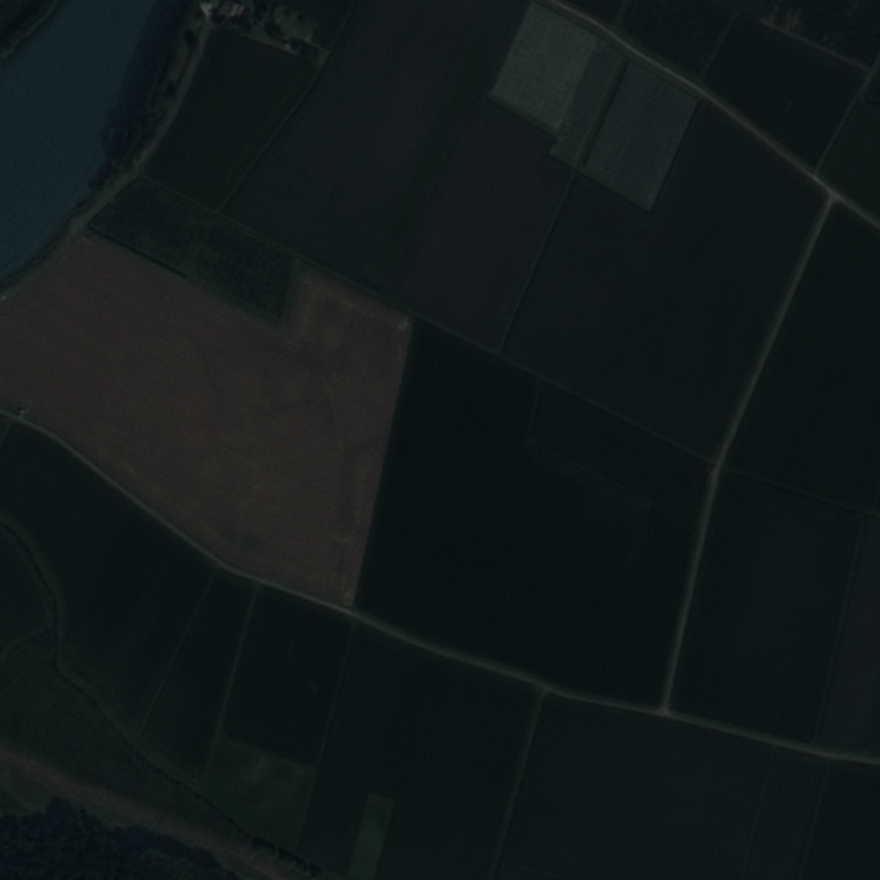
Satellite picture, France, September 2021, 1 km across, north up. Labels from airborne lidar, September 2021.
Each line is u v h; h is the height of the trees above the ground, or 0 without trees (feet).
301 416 0
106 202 0
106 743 0
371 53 0
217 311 0
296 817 0
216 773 0
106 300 0
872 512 0
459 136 0
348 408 0
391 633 0
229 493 0
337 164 0
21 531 0
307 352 0
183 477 0
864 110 0
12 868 74
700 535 0
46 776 0
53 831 81
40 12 62
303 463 0
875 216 0
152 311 0
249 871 0
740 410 0
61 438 0
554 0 0
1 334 0
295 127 0
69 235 0
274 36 42
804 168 0
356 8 0
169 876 86
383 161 0
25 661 0
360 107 0
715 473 0
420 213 0
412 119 0
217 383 0
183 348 0
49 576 0
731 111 0
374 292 0
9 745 0
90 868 86
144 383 0
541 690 0
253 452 0
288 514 0
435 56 0
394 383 0
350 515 0
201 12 30
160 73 112
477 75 0
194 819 0
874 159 0
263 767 0
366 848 0
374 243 0
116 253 0
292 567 0
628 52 0
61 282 0
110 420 0
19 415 0
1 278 0
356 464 0
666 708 0
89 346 0
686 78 0
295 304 0
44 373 0
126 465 0
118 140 108
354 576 0
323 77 0
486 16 0
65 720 0
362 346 0
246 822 0
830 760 0
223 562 0
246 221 0
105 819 0
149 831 0
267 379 0
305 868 40
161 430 0
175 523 0
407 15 0
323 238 0
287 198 0
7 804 0
